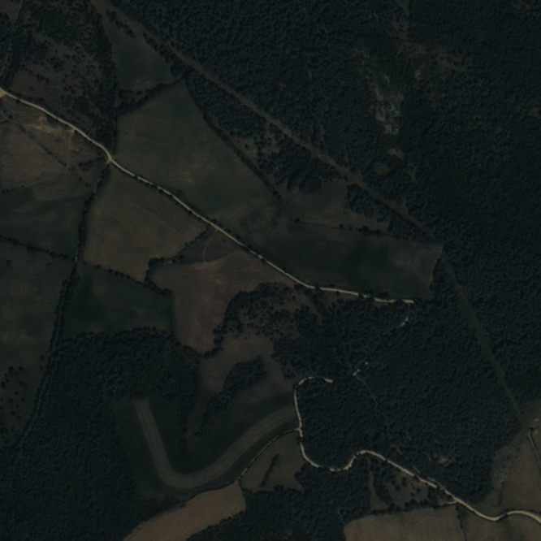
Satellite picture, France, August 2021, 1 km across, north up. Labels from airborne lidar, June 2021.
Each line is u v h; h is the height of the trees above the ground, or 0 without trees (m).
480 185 9
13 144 0
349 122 13
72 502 9
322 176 12
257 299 7
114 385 13
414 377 15
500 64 7
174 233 0
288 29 8
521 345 16
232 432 0
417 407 13
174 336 9
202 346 0
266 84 15
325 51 17
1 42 17
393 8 13
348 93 17
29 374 0
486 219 14
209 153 0
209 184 0
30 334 0
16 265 0
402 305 13
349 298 0
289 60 11
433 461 11
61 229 0
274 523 12
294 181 17
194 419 0
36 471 10
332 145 20
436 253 0
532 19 11
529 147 12
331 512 17
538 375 11
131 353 14
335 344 7
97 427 13
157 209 0
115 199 0
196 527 0
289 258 0
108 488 14
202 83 19
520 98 8
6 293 0
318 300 11
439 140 7
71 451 6
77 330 0
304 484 16
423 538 0
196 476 0
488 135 10
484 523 0
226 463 0
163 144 0
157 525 0
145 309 0
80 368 7
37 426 7
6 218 0
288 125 9
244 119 16
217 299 0
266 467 0
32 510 9
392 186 16
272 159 7
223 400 6
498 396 11
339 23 11
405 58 6
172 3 13
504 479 0
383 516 6
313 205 0
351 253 0
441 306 21
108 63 5
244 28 17
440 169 11
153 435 0
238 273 0
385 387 15
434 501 12
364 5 11
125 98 9
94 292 0
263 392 0
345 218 0
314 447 12
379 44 10
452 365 21
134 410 0
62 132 0
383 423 8
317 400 13
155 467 0
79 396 8
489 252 17
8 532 19
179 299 0
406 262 0
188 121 0
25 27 7
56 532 9
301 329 7
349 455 13
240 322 7
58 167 0
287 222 0
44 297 0
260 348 0
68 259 10
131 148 0
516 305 17
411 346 17
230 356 0
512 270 20
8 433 10
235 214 0
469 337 20
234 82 18
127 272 0
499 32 10
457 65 8
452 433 9
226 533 6
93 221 0
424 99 6
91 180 0
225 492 0
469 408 11
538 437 0
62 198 0
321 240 0
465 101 13
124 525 11
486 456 10
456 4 8
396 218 17
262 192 0
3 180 0
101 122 7
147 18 17
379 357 17
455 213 12
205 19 11
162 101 0
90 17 9
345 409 13
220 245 0
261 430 0
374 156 9
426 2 11
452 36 12
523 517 0
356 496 16
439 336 19
